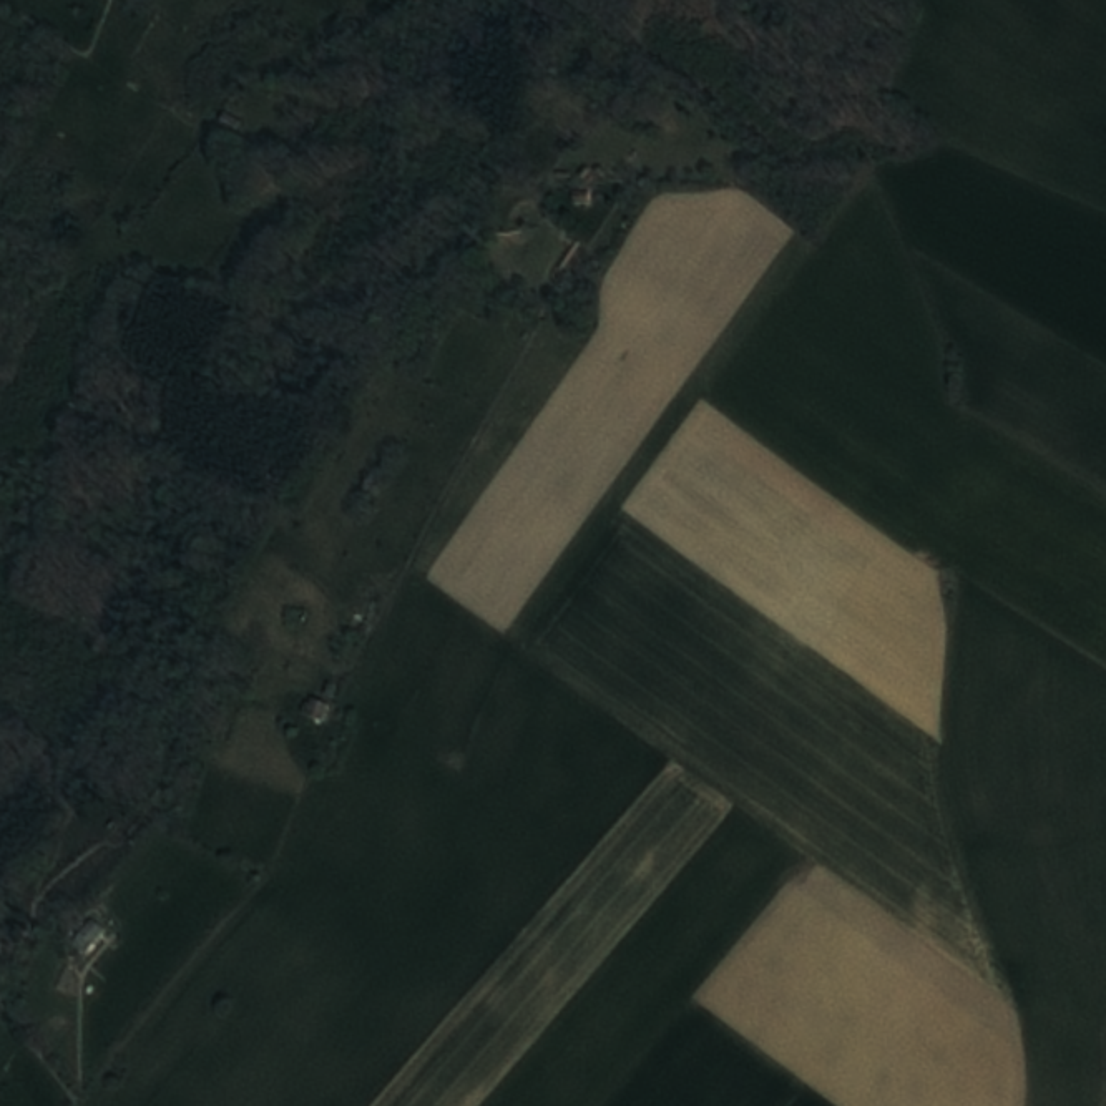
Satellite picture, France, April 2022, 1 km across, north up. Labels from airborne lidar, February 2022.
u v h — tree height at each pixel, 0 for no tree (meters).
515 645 0
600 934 0
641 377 0
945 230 0
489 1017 0
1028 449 0
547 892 0
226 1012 13
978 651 0
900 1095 0
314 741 0
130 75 0
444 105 24
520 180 28
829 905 0
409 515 0
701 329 0
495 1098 0
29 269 19
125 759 22
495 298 7
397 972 0
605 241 0
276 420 16
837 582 0
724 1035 0
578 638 0
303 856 0
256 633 0
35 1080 0
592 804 0
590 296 18
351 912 0
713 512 0
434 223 28
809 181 23
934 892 0
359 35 15
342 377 24
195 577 15
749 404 0
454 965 0
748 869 0
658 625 0
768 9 18
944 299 0
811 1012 0
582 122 0
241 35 17
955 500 0
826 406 0
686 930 0
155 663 21
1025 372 0
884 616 0
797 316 0
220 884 0
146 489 20
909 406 0
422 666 0
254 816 0
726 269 0
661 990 0
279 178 25
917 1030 0
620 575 0
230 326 22
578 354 0
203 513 22
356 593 0
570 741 0
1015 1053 0
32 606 29
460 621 0
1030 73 0
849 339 0
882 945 0
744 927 0
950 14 0
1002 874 0
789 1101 0
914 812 0
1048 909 0
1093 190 0
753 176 26
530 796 0
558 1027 0
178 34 0
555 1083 0
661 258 0
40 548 29
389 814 0
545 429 0
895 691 0
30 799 25
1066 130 0
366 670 0
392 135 11
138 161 0
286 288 29
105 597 31
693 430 0
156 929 0
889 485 0
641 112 25
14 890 31
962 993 0
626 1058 0
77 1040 0
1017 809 0
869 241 0
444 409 0
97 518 27
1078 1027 0
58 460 22
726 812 0
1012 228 0
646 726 0
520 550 0
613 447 0
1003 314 0
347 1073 0
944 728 0
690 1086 0
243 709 0
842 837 0
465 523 0
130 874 0
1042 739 0
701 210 0
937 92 0
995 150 0
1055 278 0
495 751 0
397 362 19
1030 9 0
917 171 0
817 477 0
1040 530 0
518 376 0
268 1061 0
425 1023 0
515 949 0
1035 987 0
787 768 0
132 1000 0
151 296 21
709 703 0
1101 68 0
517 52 30
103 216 0
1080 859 0
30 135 22
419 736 0
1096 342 0
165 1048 0
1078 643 0
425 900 0
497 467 0
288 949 0
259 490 18
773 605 0
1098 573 0
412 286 25
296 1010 0
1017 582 0
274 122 0
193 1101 0
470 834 0
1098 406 0
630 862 0
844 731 0
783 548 0
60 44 24
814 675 0
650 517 0
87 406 31
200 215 0
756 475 0
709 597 0
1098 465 0
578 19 18
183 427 20
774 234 0
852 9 27
